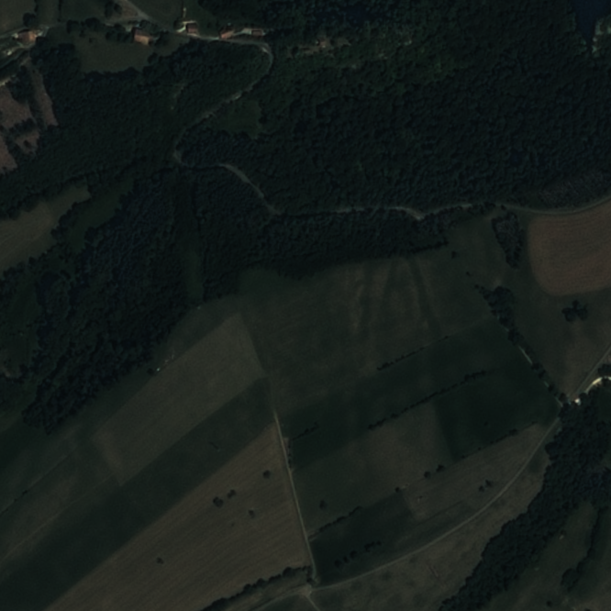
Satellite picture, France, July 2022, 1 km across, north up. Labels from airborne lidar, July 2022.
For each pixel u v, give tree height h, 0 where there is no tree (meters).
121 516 0
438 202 20
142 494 0
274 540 0
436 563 0
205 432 0
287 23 24
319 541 0
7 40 0
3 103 0
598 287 0
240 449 0
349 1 32
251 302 0
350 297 0
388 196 12
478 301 0
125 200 0
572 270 0
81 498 0
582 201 19
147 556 0
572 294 0
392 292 0
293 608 0
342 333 0
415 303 0
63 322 28
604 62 16
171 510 0
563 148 29
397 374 0
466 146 40
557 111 41
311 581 13
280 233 16
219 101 15
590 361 0
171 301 11
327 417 0
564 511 28
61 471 0
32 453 0
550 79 38
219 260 9
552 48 33
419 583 0
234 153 24
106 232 26
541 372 12
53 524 0
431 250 13
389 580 0
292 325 0
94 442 0
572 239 0
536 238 0
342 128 33
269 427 0
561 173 21
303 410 0
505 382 0
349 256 13
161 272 12
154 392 0
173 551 0
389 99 32
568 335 0
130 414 0
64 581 0
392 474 0
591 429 22
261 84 14
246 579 0
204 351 0
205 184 21
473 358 0
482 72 29
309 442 0
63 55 29
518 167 32
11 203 24
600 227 0
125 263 34
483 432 0
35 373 25
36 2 8
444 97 23
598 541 12
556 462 13
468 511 0
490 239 0
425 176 25
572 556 0
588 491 25
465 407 0
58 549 0
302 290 0
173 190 12
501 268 0
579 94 33
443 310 0
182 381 0
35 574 0
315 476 0
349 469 0
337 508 0
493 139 30
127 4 0
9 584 0
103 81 31
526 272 0
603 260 0
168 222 33
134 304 29
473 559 0
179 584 0
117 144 18
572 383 0
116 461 0
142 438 0
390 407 0
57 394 37
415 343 0
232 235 12
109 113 20
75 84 30
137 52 0
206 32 0
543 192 21
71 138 11
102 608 0
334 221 14
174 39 0
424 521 0
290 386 0
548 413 0
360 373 0
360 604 0
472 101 33
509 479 0
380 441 0
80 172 19
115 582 0
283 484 0
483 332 0
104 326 10
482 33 33
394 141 36
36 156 7
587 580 0
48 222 0
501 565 8
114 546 0
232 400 0
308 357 0
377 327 0
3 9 0
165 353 0
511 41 35
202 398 0
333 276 0
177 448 0
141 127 17
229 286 11
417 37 28
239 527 0
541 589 0
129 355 32
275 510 0
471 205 13
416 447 0
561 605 0
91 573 0
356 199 25
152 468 0
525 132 34
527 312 0
